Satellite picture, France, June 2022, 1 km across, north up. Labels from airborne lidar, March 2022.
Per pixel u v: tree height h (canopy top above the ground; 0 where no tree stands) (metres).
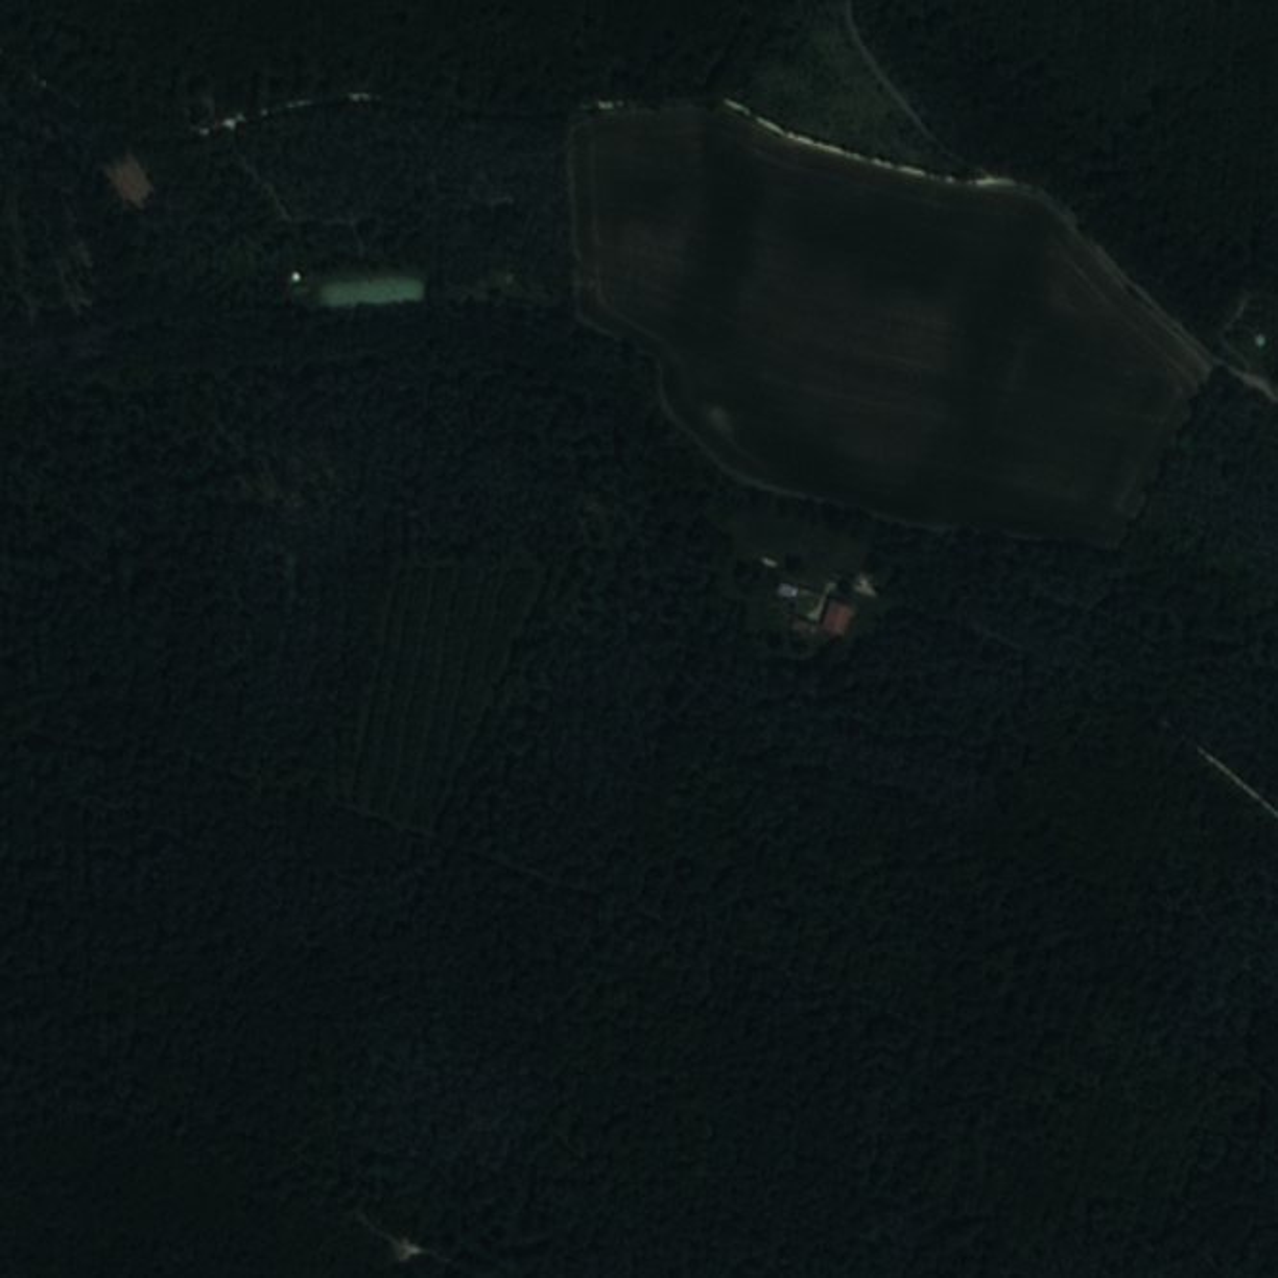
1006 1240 13
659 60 17
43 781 17
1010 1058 15
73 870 20
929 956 13
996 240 0
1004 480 0
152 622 19
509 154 21
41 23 19
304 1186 14
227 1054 16
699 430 0
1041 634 29
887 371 0
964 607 26
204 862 21
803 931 16
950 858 18
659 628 22
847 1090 17
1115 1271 22
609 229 0
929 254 0
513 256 18
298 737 18
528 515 20
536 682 14
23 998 8
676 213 0
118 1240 18
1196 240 13
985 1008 13
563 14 7
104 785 17
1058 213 0
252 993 19
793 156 0
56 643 21
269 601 16
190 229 15
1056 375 0
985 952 17
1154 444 0
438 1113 23
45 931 21
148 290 22
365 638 16
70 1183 19
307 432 27
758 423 0
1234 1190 23
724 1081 19
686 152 0
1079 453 0
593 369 22
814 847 21
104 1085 10
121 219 21
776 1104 19
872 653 17
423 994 21
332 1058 17
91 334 18
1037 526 0
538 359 24
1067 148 20
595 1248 20
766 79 0
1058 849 15
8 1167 17
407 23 20
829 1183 15
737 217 0
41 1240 18
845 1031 25
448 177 19
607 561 21
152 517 22
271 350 21
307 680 17
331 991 21
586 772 23
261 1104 19
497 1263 24
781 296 0
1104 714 10
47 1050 9
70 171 24
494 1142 13
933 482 0
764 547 0
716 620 19
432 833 0
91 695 18
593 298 0
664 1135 16
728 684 23
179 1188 14
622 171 0
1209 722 27
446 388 25
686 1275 20
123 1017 17
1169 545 7
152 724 18
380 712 0
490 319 24
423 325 21
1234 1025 28
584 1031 21
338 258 12
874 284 0
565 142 15
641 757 24
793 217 0
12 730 11
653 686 25
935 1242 22
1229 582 11
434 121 15
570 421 17
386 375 19
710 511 14
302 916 17
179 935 20
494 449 24
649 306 0
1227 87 9
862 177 0
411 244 16
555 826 21
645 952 20
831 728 27
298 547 19
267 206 11
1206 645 21
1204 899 26
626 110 9
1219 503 17
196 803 17
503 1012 19
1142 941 19
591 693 18
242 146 14
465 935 24
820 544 0
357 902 19
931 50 16
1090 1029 18
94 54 25
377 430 20
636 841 23
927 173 9
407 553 17
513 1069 22
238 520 22
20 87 16
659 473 14
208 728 19
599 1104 21
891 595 15
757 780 20
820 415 0
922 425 0
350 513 21
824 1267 28
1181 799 11
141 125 18
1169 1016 17
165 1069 19
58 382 24
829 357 0
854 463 0
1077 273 0
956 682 31
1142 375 0
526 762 18
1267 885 24
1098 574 17
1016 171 15
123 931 22
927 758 24
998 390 0
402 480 19
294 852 19
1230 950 25
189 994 21
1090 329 0
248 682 22
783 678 25
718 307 0
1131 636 19
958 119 13
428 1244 22
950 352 0
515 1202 22
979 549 19
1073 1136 9
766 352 0
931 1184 16
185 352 26
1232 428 18
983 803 21
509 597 0
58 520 14
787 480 0
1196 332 9
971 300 0
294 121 13
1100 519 0
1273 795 33
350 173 17
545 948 20
